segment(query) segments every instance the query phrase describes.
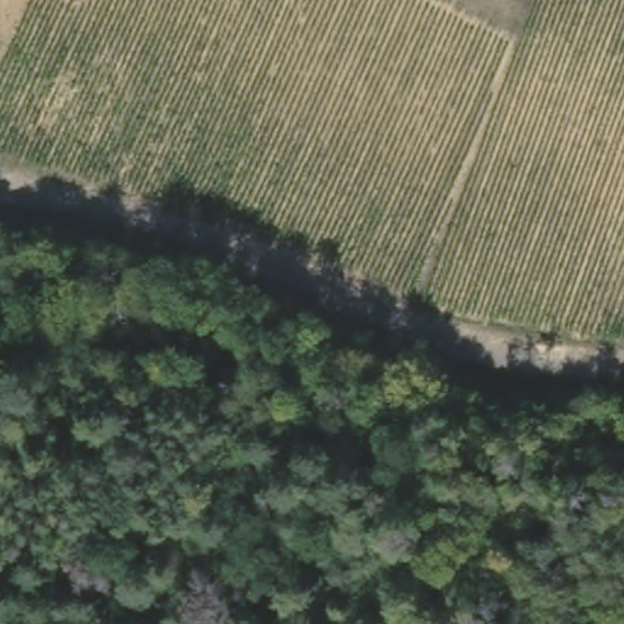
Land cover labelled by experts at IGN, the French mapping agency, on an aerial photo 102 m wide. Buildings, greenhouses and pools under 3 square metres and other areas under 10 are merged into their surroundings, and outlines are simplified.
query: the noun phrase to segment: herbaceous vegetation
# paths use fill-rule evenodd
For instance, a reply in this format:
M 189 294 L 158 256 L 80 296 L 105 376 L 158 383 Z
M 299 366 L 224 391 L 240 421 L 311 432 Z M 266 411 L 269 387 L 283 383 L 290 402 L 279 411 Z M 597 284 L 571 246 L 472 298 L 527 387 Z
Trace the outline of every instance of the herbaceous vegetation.
M 236 261 L 229 268 L 241 280 L 241 285 L 258 285 L 263 290 L 263 295 L 271 300 L 273 317 L 293 322 L 307 312 L 317 317 L 324 324 L 324 329 L 329 329 L 327 341 L 339 353 L 368 353 L 383 358 L 385 363 L 414 361 L 419 375 L 436 380 L 439 385 L 446 385 L 478 392 L 478 407 L 507 410 L 507 417 L 522 412 L 529 419 L 539 419 L 541 424 L 553 424 L 556 414 L 570 414 L 570 402 L 575 397 L 583 397 L 583 388 L 568 388 L 566 392 L 522 390 L 514 397 L 507 390 L 495 388 L 490 380 L 478 378 L 470 371 L 470 361 L 461 353 L 461 349 L 451 349 L 431 332 L 412 334 L 405 346 L 392 344 L 385 329 L 371 327 L 358 317 L 341 317 L 314 302 L 305 302 L 295 288 L 285 288 L 278 283 L 275 268 L 251 271 L 241 261 Z

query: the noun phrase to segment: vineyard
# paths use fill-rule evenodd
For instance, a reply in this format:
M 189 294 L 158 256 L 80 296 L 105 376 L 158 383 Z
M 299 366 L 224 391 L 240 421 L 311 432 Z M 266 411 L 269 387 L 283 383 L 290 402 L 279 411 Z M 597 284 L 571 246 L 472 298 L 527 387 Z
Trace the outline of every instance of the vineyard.
M 614 344 L 614 353 L 624 349 L 624 0 L 0 0 L 0 176 L 5 171 L 24 171 L 32 166 L 37 178 L 56 176 L 61 180 L 80 185 L 90 197 L 110 183 L 117 183 L 122 190 L 122 205 L 127 207 L 127 217 L 132 224 L 151 222 L 151 210 L 161 205 L 161 193 L 171 180 L 190 180 L 195 190 L 224 195 L 244 207 L 256 210 L 261 219 L 273 222 L 278 229 L 307 234 L 307 254 L 319 254 L 322 271 L 341 268 L 344 278 L 361 278 L 385 285 L 392 297 L 410 293 L 431 295 L 436 310 L 451 314 L 456 332 L 466 339 L 475 329 L 480 329 L 507 334 L 507 341 L 512 336 L 541 334 L 541 341 L 546 346 L 592 346 L 600 353 L 600 344 L 609 341 Z

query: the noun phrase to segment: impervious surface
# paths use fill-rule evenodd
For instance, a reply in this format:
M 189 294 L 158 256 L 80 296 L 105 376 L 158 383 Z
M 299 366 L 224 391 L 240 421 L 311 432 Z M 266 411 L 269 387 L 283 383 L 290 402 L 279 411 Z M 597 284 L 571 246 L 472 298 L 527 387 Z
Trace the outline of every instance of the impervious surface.
M 261 219 L 256 210 L 244 207 L 224 195 L 195 190 L 190 180 L 171 180 L 161 193 L 161 205 L 151 210 L 151 222 L 132 224 L 127 217 L 127 207 L 122 205 L 122 190 L 117 183 L 110 183 L 90 197 L 80 185 L 61 180 L 56 176 L 37 178 L 32 166 L 24 171 L 5 171 L 0 176 L 0 210 L 12 210 L 22 217 L 61 215 L 68 222 L 83 224 L 88 232 L 115 232 L 117 239 L 122 249 L 129 254 L 129 258 L 139 256 L 141 251 L 149 251 L 151 246 L 212 246 L 215 251 L 236 261 L 241 261 L 251 271 L 275 268 L 278 283 L 285 288 L 295 288 L 305 302 L 314 302 L 341 317 L 358 317 L 371 327 L 385 329 L 392 344 L 405 346 L 412 334 L 431 332 L 451 349 L 461 349 L 461 353 L 470 361 L 470 371 L 478 378 L 490 380 L 495 388 L 507 390 L 514 397 L 522 390 L 566 392 L 568 388 L 583 388 L 583 397 L 600 397 L 609 390 L 624 390 L 624 349 L 614 353 L 614 344 L 609 341 L 600 344 L 600 353 L 592 346 L 546 346 L 541 341 L 541 334 L 512 336 L 507 341 L 507 334 L 480 329 L 475 329 L 466 339 L 456 332 L 451 314 L 436 310 L 431 295 L 410 293 L 392 297 L 385 285 L 361 278 L 344 278 L 341 268 L 322 271 L 319 254 L 307 254 L 307 234 L 278 229 L 273 222 Z

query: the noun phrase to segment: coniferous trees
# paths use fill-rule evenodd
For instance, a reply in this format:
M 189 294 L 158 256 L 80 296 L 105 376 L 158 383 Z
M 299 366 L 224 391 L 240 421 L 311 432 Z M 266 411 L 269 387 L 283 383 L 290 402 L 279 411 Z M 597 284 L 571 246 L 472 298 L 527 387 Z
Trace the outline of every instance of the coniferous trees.
M 102 251 L 117 239 L 115 232 L 88 232 L 83 224 L 68 222 L 61 215 L 22 217 L 12 210 L 0 210 L 0 268 L 24 266 L 54 273 L 63 271 L 66 266 L 78 268 L 95 251 Z
M 324 402 L 314 402 L 314 397 L 300 380 L 300 371 L 293 363 L 268 363 L 261 353 L 239 353 L 234 358 L 229 349 L 219 346 L 207 334 L 197 336 L 188 329 L 171 329 L 156 322 L 141 322 L 137 317 L 119 319 L 117 314 L 107 314 L 105 327 L 95 336 L 88 336 L 83 332 L 83 322 L 73 322 L 66 332 L 66 339 L 59 344 L 51 344 L 44 329 L 39 329 L 24 332 L 17 336 L 17 341 L 7 341 L 0 346 L 0 624 L 624 624 L 624 390 L 609 390 L 600 397 L 583 397 L 575 397 L 570 402 L 570 414 L 556 414 L 553 424 L 541 424 L 539 419 L 529 419 L 522 412 L 507 417 L 507 410 L 478 407 L 478 392 L 446 385 L 446 397 L 441 400 L 434 397 L 429 405 L 417 410 L 407 410 L 400 405 L 380 407 L 366 427 L 361 427 L 351 422 L 351 417 L 344 410 L 332 410 Z M 95 575 L 88 566 L 98 556 L 102 561 L 122 563 L 127 568 L 127 575 L 122 580 L 107 580 L 102 575 Z

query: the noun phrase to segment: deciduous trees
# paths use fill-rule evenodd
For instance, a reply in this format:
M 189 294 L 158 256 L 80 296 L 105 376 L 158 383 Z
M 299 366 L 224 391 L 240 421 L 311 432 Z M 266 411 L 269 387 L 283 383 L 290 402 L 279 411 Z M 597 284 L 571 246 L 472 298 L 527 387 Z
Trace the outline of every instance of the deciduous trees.
M 107 580 L 122 580 L 127 575 L 127 568 L 122 563 L 102 561 L 98 556 L 88 566 L 95 575 L 102 575 Z
M 300 380 L 314 397 L 314 402 L 324 402 L 332 410 L 344 410 L 351 417 L 351 422 L 361 427 L 366 427 L 380 407 L 400 405 L 407 410 L 417 410 L 429 405 L 434 397 L 441 400 L 446 397 L 446 385 L 439 385 L 436 380 L 419 375 L 414 361 L 385 363 L 383 358 L 368 353 L 339 353 L 327 341 L 329 329 L 324 329 L 324 324 L 317 317 L 307 312 L 293 322 L 273 317 L 271 300 L 263 295 L 263 290 L 258 285 L 241 285 L 241 280 L 229 268 L 236 261 L 215 251 L 212 246 L 151 246 L 149 251 L 141 251 L 139 256 L 129 258 L 129 254 L 122 249 L 117 239 L 102 251 L 95 251 L 78 268 L 66 266 L 63 271 L 54 273 L 24 266 L 0 268 L 0 346 L 7 341 L 17 341 L 17 336 L 24 332 L 39 329 L 44 329 L 51 344 L 59 344 L 66 339 L 66 332 L 73 322 L 83 322 L 83 332 L 88 336 L 95 336 L 105 327 L 107 314 L 117 314 L 119 319 L 137 317 L 141 322 L 156 322 L 171 329 L 188 329 L 197 336 L 207 334 L 219 346 L 229 349 L 234 358 L 239 353 L 261 353 L 268 363 L 293 363 L 300 371 Z

